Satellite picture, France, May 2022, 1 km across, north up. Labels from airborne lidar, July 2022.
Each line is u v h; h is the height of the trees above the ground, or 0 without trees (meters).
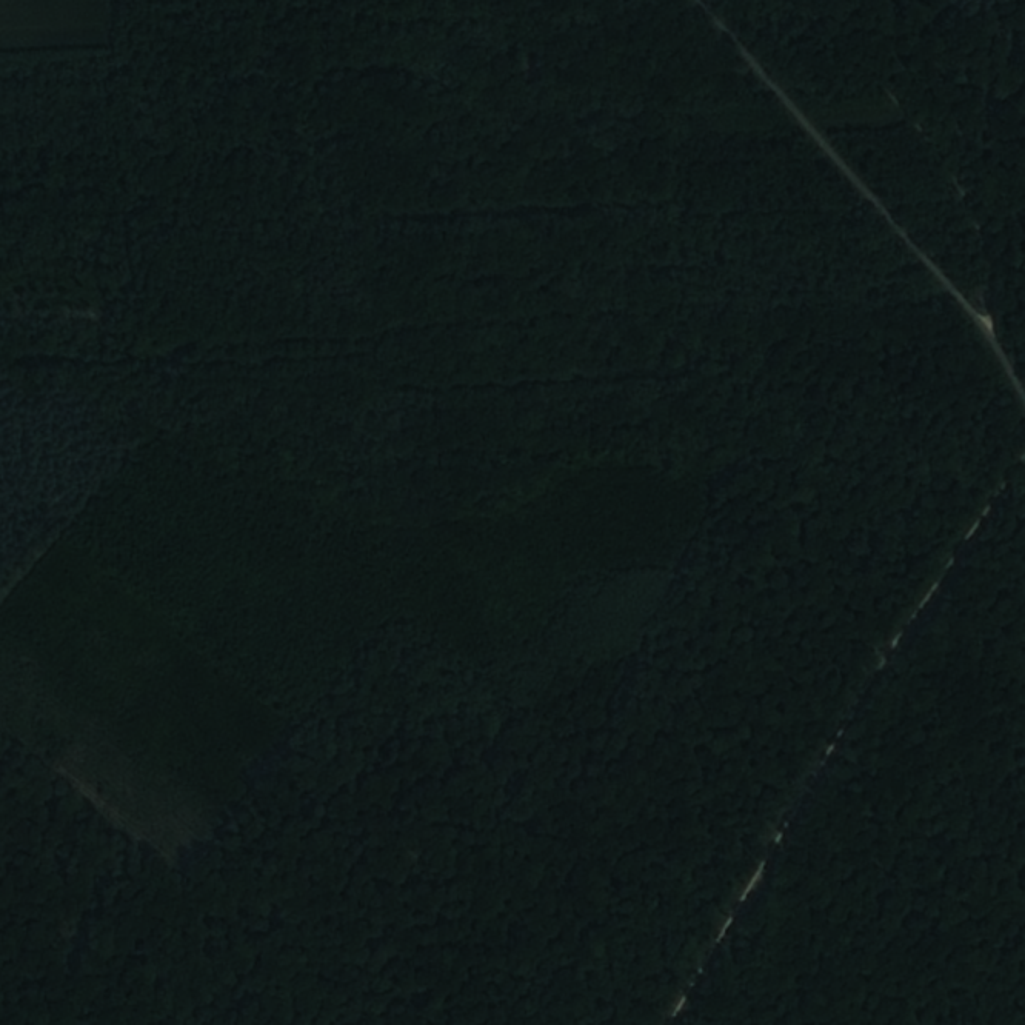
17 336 28
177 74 20
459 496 28
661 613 21
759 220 24
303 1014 31
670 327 26
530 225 29
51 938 29
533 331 27
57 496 29
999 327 13
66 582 6
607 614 21
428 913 29
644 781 27
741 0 25
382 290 26
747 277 29
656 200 11
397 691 30
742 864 26
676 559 6
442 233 23
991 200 23
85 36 0
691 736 24
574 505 8
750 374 18
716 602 30
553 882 30
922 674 6
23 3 0
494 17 24
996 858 28
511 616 9
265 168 21
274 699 14
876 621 28
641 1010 27
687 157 22
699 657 28
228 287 22
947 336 29
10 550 35
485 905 30
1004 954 27
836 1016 32
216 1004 29
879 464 20
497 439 26
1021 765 22
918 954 29
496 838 30
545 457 18
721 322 29
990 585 26
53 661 6
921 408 23
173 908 27
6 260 23
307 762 30
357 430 27
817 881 24
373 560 17
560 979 27
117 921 31
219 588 16
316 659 16
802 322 31
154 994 27
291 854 28
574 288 27
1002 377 7
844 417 10
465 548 10
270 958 28
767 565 28
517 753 32
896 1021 32
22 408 32
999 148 30
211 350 22
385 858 31
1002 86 30
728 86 28
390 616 12
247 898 30
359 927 29
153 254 31
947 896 25
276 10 27
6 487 30
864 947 24
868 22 25
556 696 10
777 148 17
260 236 20
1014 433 21
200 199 23
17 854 31
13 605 6
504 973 19
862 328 24
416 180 30
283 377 25
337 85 25
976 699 28
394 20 12
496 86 28
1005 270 26
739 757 28
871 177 14
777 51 25
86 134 31
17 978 27
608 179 30
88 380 26
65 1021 28
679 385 26
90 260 18
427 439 26
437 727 22
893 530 29
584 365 27
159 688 7
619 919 22
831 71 22
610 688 10
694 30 25
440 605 9
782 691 27
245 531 17
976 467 17
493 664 13
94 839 31
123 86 26
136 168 24
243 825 27
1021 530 25
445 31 20
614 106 25
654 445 18
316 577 16
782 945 23
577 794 30
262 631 16
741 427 18
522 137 28
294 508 16
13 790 29
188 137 19
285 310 27
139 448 18
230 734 7
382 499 32
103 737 6
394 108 29
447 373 24
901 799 24
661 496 11
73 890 31
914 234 23
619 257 26
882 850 27
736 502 31
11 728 6
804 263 30
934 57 23
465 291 27
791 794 27
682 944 28
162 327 28
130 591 9
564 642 19
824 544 33
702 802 24
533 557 10
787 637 28
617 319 25
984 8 29
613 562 9
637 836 26
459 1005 22
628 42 28
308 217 27
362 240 28
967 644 25
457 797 32
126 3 22
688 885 24
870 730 25
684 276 24
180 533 16
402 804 28
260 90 25
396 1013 33
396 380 24
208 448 20
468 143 31
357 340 15
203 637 18
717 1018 20
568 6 26
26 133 29
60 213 28
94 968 29
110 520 19
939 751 28
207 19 20
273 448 29
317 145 9
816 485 27
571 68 32
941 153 18
